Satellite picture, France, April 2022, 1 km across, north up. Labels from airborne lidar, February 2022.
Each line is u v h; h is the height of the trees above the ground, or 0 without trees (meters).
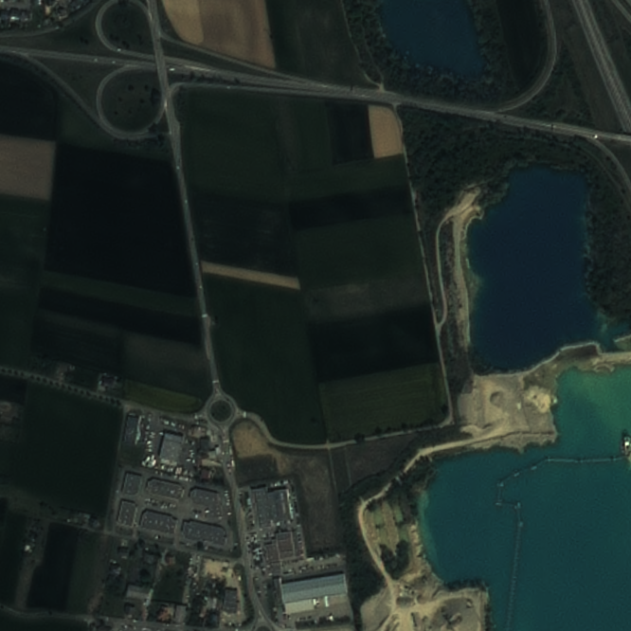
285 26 0
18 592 0
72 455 0
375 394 0
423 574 0
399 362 0
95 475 0
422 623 0
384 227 0
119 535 0
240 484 0
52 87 0
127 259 0
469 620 0
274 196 0
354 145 0
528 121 0
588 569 0
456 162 10
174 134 0
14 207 0
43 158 0
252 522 0
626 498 0
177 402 0
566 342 0
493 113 0
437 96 11
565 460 0
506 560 0
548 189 0
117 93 0
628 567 0
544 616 0
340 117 0
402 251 0
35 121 0
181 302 0
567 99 0
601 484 0
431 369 0
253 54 0
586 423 0
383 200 0
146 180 0
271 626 0
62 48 0
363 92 0
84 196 0
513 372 0
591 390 0
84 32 0
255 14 0
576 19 0
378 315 0
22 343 0
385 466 0
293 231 0
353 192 0
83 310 0
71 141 0
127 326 0
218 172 0
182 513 0
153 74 0
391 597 0
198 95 0
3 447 0
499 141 14
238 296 0
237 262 0
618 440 0
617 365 0
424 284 0
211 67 0
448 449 0
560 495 0
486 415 0
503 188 15
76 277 0
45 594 0
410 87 6
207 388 0
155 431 0
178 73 0
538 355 0
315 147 0
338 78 0
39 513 0
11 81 0
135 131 0
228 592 0
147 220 0
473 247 0
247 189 0
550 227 0
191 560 0
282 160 0
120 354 0
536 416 0
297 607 0
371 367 0
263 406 0
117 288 0
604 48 0
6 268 0
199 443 0
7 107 0
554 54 0
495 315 0
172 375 0
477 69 0
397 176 0
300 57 0
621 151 0
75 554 0
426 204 11
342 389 0
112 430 0
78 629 0
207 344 0
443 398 0
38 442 0
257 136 0
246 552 0
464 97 10
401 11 0
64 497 0
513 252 0
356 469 0
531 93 0
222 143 0
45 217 0
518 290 0
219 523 0
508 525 0
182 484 0
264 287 0
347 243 0
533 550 0
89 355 0
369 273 0
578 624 0
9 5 0
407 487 18
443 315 0
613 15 0
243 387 0
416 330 0
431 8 0
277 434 0
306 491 0
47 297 0
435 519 0
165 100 0
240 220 0
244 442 0
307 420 0
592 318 0
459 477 0
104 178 0
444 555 0
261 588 0
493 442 0
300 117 0
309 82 0
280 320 0
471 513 0
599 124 0
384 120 0
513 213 0
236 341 0
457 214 0
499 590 0
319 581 0
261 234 0
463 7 0
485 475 0
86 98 0
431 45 0
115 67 0
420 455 0
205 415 0
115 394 0
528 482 0
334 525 0
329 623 13
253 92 0
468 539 0
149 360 0
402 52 0
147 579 14
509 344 0
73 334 0
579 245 0
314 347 0
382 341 0
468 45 0
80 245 0
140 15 0
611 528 0
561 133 0
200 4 0
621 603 0
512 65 0
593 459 0
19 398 0
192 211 0
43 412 0
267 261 0
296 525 0
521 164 18
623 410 0
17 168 0
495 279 0
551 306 0
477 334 0
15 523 0
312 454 0
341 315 0
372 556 0
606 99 0
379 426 0
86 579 0
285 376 0
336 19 0
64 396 0
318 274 0
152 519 0
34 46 0
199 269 0
